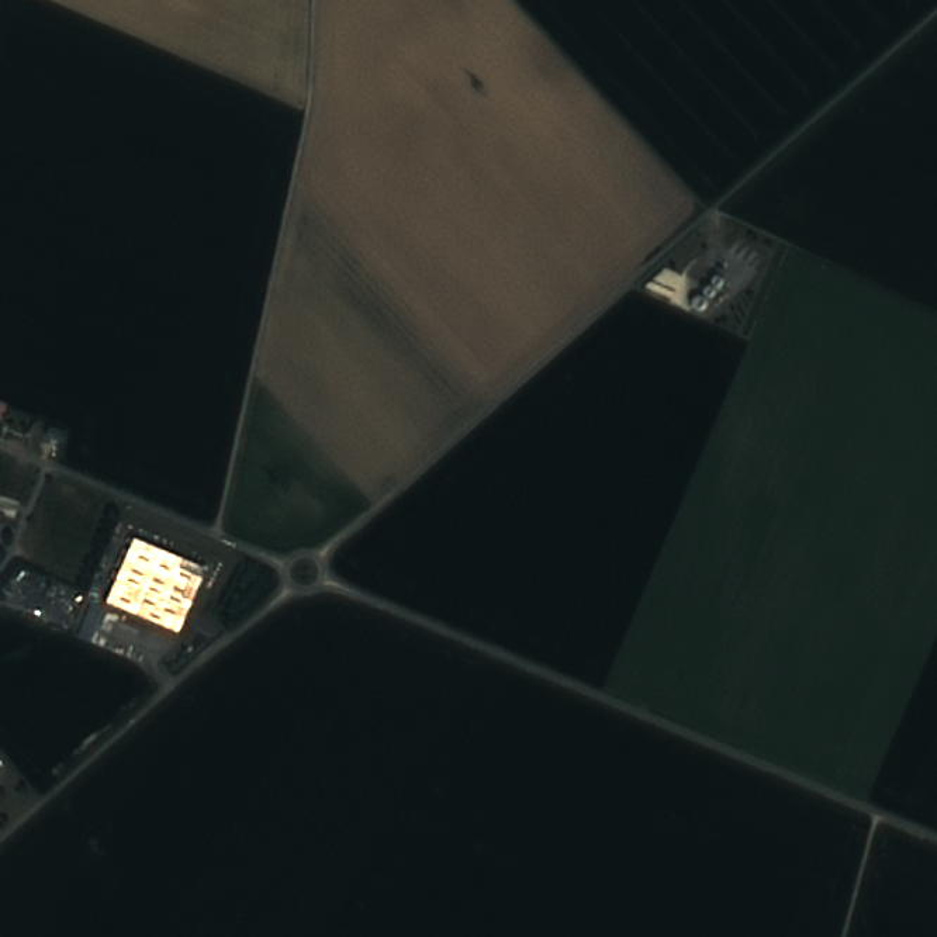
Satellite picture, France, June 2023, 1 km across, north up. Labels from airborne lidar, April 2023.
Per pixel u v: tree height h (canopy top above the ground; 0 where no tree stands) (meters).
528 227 0
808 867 0
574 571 0
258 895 0
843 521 0
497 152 0
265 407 0
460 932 0
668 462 0
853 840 0
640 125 0
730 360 0
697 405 0
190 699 0
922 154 0
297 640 0
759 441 0
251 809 0
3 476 0
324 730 0
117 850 0
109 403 0
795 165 0
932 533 0
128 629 0
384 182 0
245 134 0
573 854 0
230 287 0
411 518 0
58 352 0
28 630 0
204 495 0
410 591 0
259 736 0
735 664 0
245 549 0
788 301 0
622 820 0
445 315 0
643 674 0
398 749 0
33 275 0
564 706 0
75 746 0
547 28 0
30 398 0
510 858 0
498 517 0
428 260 0
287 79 0
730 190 0
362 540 0
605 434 0
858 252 0
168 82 0
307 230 0
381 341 0
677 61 0
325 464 0
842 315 0
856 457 0
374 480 0
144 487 0
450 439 0
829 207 0
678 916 0
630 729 0
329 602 0
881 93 0
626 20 0
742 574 0
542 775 0
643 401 0
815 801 0
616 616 0
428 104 0
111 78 0
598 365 0
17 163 0
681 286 0
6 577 11
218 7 0
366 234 0
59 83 0
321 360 0
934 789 0
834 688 0
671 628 0
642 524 0
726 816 0
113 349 0
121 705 0
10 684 0
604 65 0
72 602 0
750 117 0
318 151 0
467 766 0
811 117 0
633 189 0
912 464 0
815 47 0
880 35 0
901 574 0
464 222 0
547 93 0
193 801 0
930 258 0
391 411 0
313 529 0
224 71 0
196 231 0
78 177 0
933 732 0
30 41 0
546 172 0
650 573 0
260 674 0
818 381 0
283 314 0
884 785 0
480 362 0
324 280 0
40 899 0
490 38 0
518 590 0
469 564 0
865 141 0
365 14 0
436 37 0
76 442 0
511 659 0
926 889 0
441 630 0
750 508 0
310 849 0
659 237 0
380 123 0
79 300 0
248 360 0
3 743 0
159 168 0
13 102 0
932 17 0
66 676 0
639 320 0
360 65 0
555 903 0
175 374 0
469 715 0
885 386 0
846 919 0
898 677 0
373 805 0
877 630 0
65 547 0
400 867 0
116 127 0
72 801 0
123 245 0
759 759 0
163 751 0
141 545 0
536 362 0
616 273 0
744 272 0
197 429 0
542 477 0
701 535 0
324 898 0
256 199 0
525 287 0
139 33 0
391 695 0
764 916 0
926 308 0
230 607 13
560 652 0
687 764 0
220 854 0
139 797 0
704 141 0
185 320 0
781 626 0
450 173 0
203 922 0
